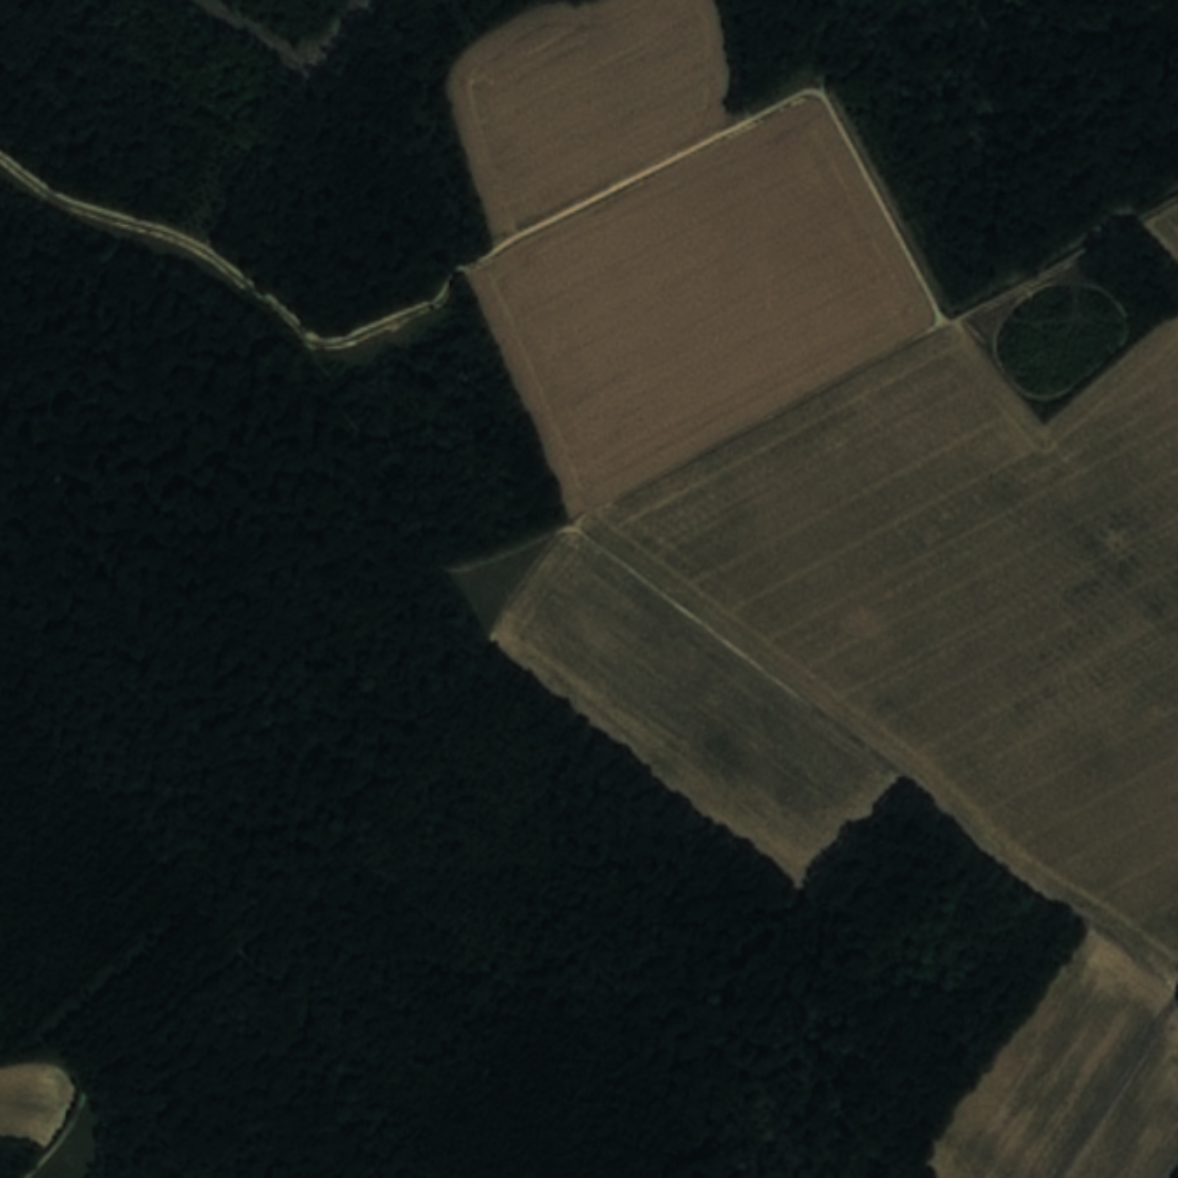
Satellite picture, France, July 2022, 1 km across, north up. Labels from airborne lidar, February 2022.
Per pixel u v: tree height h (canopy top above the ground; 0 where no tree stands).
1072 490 0
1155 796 0
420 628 16
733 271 0
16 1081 0
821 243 0
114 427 22
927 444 0
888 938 16
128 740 15
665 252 0
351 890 15
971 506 0
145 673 18
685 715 0
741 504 0
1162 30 19
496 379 20
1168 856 0
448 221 21
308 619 17
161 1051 17
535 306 0
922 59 22
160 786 16
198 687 16
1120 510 0
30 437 26
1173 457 0
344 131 20
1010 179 18
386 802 17
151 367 24
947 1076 21
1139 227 12
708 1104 16
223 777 16
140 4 18
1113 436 0
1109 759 0
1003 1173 0
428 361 21
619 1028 11
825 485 0
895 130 15
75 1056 12
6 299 24
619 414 0
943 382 0
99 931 12
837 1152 29
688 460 0
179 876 15
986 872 17
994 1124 0
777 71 18
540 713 17
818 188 0
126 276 22
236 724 16
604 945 22
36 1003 14
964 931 19
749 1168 24
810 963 25
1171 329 0
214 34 16
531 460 20
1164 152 26
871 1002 24
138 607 19
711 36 0
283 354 20
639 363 0
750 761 0
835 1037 18
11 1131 0
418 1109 8
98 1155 6
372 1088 15
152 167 21
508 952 10
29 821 11
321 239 16
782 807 0
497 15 8
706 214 0
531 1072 14
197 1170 10
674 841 22
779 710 0
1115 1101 0
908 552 0
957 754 0
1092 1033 0
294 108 20
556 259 0
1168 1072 0
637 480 0
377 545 17
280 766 11
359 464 18
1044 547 0
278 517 22
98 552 26
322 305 21
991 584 0
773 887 25
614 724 0
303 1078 13
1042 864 0
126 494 27
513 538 7
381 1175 13
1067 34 22
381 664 16
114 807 8
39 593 22
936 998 26
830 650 0
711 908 22
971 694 0
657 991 23
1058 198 27
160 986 10
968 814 0
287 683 15
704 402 0
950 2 22
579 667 0
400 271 20
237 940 9
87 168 23
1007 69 25
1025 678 0
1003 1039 20
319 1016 18
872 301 0
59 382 9
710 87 0
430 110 9
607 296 0
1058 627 0
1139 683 0
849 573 0
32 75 19
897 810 17
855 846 16
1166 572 0
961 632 0
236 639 17
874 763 0
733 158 0
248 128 10
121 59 20
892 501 0
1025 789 0
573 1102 13
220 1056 16
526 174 0
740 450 0
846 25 15
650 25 0
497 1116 12
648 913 22
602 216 0
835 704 0
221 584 20
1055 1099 0
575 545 0
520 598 0
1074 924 18
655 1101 12
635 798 23
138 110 19
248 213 21
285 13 7
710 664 0
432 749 12
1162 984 0
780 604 0
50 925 13
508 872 18
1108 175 25
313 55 0
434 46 17
